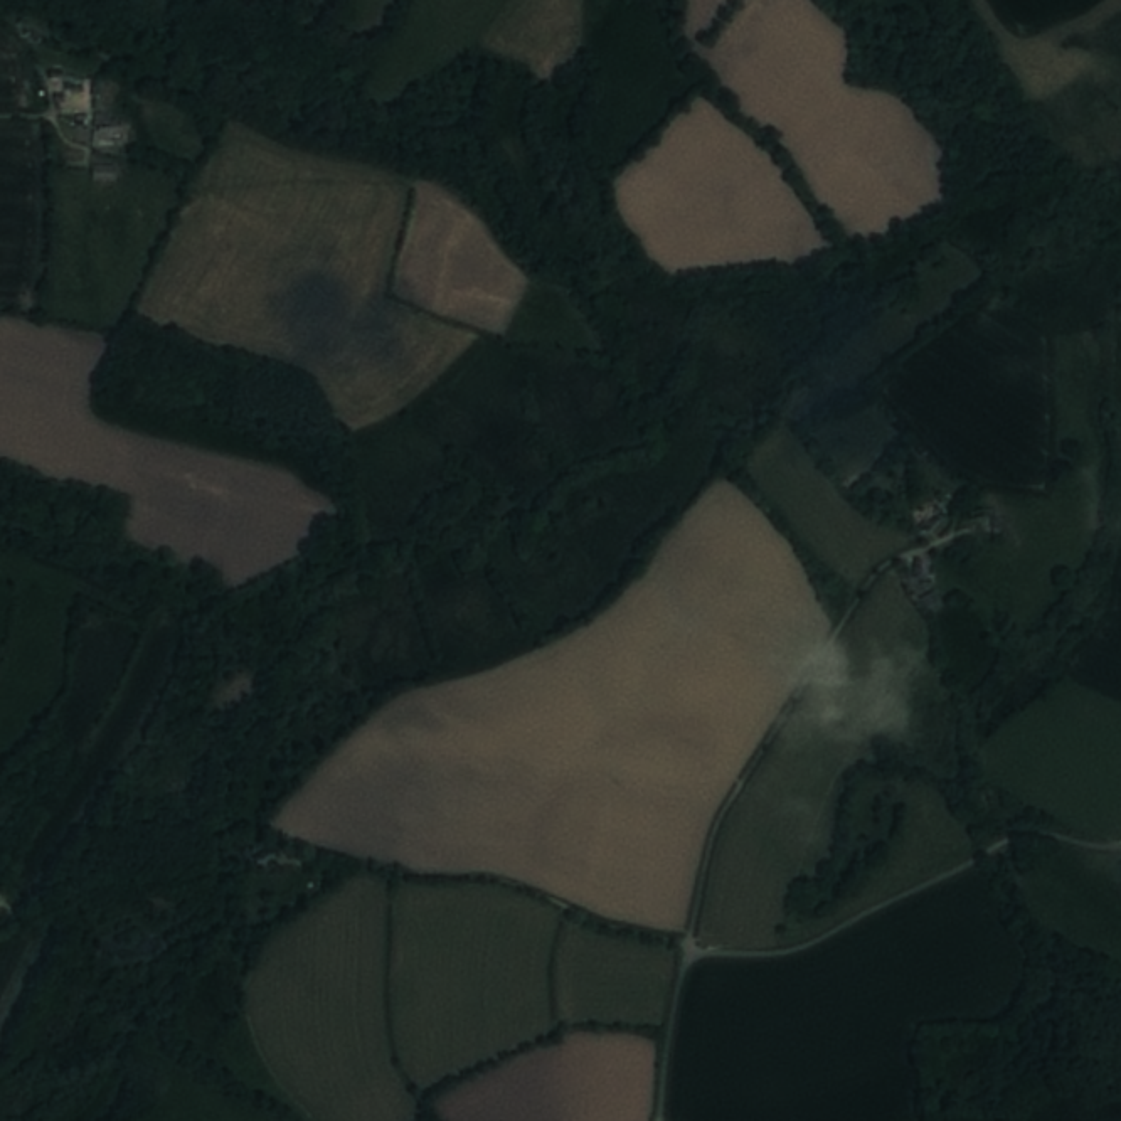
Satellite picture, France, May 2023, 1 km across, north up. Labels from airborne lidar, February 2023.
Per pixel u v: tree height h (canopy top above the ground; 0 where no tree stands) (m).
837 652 0
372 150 20
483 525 8
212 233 0
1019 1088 15
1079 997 9
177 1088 0
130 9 12
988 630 10
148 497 0
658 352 0
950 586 0
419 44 0
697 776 0
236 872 14
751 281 18
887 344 0
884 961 0
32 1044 0
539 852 0
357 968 0
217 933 15
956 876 0
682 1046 0
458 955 0
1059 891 0
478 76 7
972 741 9
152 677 0
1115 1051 10
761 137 11
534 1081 0
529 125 15
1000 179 19
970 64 13
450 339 0
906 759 15
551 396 0
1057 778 0
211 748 13
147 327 16
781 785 0
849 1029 0
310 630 19
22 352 0
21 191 0
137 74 9
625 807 0
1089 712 0
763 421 10
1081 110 0
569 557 0
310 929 0
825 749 0
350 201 0
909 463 10
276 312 0
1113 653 0
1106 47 0
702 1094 0
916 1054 17
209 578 22
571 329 0
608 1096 0
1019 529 0
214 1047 0
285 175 0
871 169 0
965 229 0
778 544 0
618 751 0
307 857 18
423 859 0
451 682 0
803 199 8
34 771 13
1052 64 0
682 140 0
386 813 0
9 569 0
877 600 0
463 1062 0
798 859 0
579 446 0
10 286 0
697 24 0
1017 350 0
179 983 18
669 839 0
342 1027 0
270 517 0
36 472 9
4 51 0
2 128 0
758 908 0
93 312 0
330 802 0
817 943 0
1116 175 0
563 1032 8
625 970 0
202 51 17
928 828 0
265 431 22
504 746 0
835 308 13
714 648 0
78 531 9
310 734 0
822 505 0
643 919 0
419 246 0
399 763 0
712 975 0
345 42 19
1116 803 0
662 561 0
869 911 0
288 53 20
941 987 0
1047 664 15
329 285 0
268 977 0
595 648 0
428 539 6
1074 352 0
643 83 0
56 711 7
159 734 9
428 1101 12
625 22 0
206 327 0
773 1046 0
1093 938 0
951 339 0
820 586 7
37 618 0
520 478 0
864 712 0
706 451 0
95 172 0
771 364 0
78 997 8
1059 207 8
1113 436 11
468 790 0
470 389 0
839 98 0
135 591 17
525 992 0
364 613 0
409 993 0
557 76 16
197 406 19
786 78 0
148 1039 9
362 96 18
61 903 17
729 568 0
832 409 19
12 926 14
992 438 0
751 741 0
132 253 0
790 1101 0
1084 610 6
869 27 12
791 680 0
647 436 14
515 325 0
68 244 0
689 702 0
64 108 0
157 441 0
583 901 0
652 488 0
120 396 23
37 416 0
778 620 0
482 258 0
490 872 0
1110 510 10
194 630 26
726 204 0
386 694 11
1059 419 0
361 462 0
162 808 5
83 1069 23
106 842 19
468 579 0
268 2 10
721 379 0
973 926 0
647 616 0
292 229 0
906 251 0
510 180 14
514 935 0
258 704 14
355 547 13
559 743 0
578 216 9
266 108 24
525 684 0
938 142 11
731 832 0
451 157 23
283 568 8
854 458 0
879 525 11
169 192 0
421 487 0
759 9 0
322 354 0
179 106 12
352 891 0
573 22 0
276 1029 0
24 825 16
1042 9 0
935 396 0
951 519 11
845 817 12
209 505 0
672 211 0
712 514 0
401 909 0
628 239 14
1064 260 0
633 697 0
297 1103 0
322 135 26
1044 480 0
